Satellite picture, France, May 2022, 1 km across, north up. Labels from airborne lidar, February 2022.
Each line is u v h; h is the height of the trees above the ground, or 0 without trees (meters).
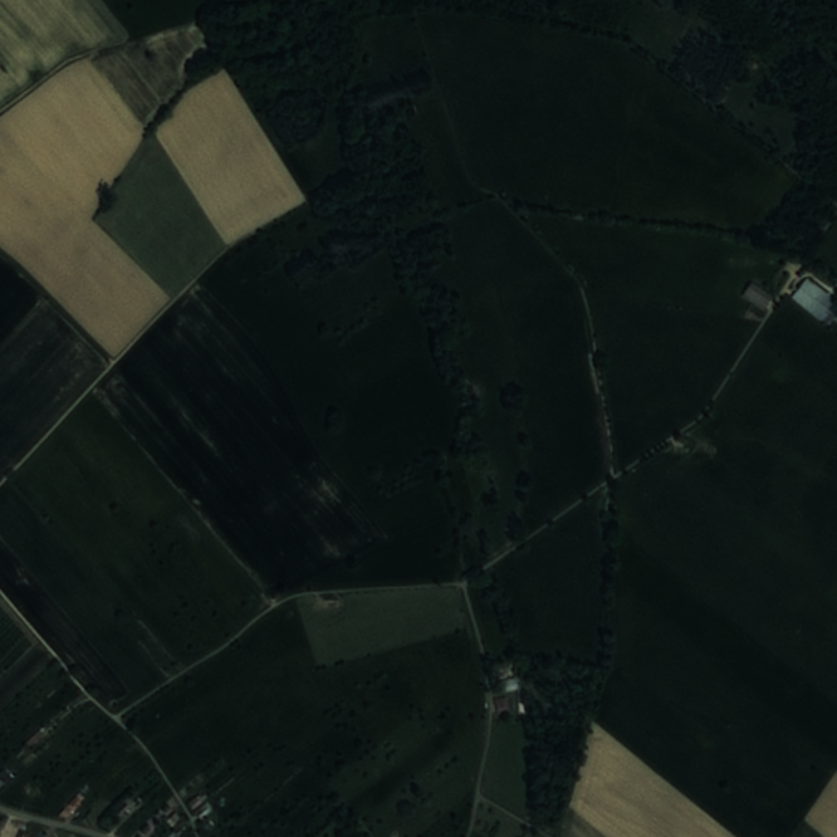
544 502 0
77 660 0
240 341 0
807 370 0
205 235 0
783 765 0
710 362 0
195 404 0
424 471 0
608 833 0
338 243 29
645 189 0
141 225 0
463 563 0
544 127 0
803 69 24
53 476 0
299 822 0
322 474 0
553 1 22
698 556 0
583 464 0
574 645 0
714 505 0
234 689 0
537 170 0
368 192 18
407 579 0
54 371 0
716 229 12
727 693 0
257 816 0
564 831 0
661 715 0
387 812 0
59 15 0
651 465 0
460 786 0
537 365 0
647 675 0
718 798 0
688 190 0
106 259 0
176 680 0
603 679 11
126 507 0
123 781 0
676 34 0
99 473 0
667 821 0
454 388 11
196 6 0
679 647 0
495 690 13
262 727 0
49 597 0
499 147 0
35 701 0
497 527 0
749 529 0
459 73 0
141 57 0
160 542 0
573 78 0
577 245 0
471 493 0
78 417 0
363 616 0
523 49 0
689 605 0
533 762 24
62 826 0
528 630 0
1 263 0
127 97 0
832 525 0
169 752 0
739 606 0
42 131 0
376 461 0
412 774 0
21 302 0
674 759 0
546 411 0
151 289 0
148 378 0
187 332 0
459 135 0
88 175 0
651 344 0
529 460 0
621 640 0
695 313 0
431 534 0
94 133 0
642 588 0
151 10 0
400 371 0
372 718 0
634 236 0
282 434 0
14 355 0
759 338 0
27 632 0
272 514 0
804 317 0
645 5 0
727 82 18
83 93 0
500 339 0
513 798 0
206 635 0
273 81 33
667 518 0
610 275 0
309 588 8
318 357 0
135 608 0
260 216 0
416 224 0
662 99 0
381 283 0
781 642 0
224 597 0
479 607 0
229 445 0
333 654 0
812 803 0
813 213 13
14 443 0
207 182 0
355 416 0
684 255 0
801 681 0
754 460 0
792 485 0
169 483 0
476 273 0
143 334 0
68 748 0
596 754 0
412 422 0
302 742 0
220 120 0
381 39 0
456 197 0
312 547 0
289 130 22
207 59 20
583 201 0
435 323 19
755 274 0
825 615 0
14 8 0
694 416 0
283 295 0
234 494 0
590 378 0
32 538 0
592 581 0
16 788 0
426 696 0
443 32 0
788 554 0
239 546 0
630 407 0
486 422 0
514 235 0
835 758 0
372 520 0
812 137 22
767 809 0
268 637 0
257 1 32
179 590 0
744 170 0
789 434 0
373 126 33
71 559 0
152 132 8
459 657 0
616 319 0
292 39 18
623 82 0
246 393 0
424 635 0
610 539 17
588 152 0
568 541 0
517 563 0
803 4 21
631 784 0
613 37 13
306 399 0
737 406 0
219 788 0
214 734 0
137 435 0
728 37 21
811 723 0
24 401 0
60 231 0
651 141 0
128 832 0
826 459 0
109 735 0
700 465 0
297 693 0
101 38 0
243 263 0
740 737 0
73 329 0
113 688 0
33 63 0
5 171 0
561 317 0
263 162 0
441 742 0
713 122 0
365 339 0
